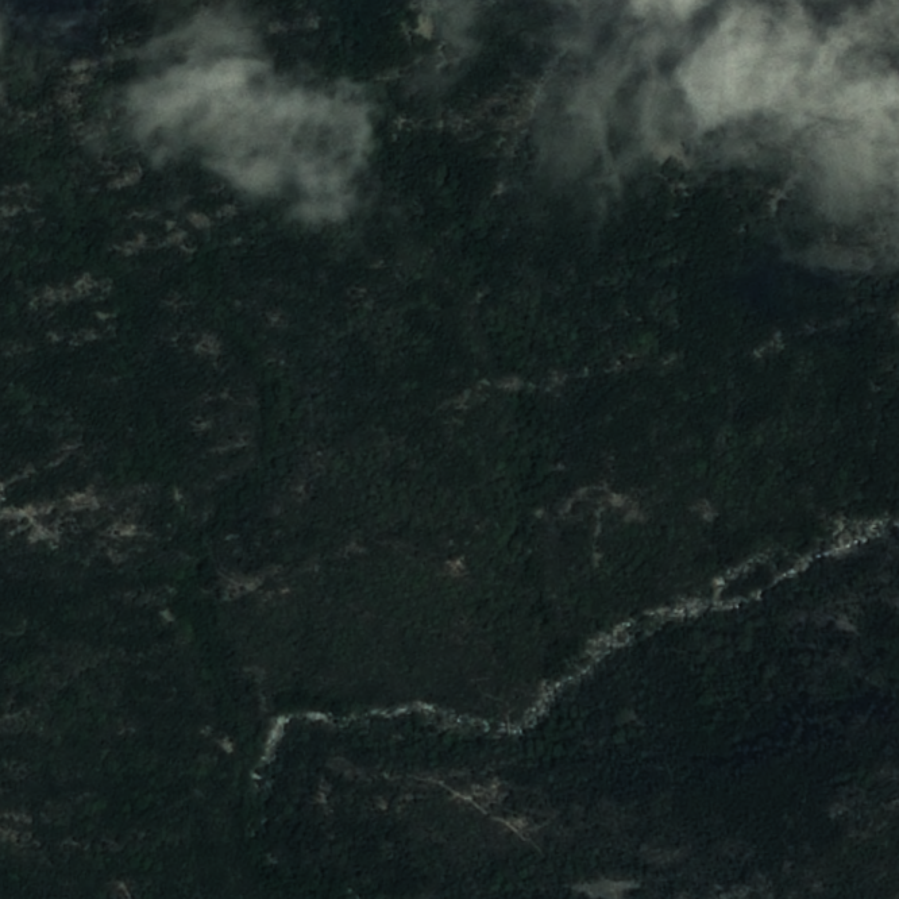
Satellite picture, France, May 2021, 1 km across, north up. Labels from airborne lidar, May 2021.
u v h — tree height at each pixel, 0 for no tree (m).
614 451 6
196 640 15
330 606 6
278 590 8
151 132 8
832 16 0
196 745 7
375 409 8
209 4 9
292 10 9
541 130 11
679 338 11
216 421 6
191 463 9
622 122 7
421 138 9
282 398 18
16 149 14
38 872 9
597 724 7
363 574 5
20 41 11
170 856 9
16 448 9
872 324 14
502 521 23
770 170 12
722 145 10
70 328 7
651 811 8
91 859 9
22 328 8
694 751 8
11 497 8
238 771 19
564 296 7
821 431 9
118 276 16
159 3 11
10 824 7
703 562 10
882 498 13
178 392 6
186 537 18
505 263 7
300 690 7
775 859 6
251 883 8
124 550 6
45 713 7
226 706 16
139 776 8
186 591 16
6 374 12
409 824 7
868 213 13
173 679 6
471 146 6
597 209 13
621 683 7
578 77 10
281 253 6
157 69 11
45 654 11
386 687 8
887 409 13
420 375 7
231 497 16
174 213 8
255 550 6
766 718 9
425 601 10
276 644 8
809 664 16
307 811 18
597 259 9
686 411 10
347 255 9
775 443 11
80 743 12
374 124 21
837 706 7
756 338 8
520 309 6
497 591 6
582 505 10
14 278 8
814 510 8
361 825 10
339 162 8
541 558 8
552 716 11
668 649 11
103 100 6
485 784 8
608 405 9
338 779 6
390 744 11
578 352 7
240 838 10
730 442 13
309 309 6
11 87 14
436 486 8
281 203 12
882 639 9
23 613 8
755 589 9
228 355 8
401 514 11
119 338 8
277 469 20
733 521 7
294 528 6
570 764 6
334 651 15
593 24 7
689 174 11
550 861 10
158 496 7
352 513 12
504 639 7
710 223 12
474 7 11
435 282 7
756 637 6
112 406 10
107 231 10
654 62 12
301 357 6
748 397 8
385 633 10
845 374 13
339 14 12
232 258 10
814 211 8
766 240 9
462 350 8
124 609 6
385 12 6
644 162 16
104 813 6
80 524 6
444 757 7
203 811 11
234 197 8
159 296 8
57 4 14
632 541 9
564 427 8
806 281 12
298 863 9
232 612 8
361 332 8
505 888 11
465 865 6
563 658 13
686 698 7
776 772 6
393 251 8
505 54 11
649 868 10
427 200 10
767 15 8
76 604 7
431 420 7
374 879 10
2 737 7
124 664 7
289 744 9
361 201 9
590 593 9
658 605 8
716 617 15
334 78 11
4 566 8
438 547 5
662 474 7
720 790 7
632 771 7
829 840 7
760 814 8
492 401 7
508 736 9
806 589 12
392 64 8
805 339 11
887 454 12
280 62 8
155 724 6
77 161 11
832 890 10
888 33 10
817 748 7
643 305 11
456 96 9
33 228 7
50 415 10
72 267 7
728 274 14
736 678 8
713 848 9
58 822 9
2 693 10
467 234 15
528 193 8
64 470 6
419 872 12
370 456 12
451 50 14
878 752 8
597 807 7
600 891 0
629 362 9
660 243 17
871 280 15
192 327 7
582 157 6
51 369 10
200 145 10
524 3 9
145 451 20
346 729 7
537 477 23
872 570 6
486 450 8
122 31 10
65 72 6
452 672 8
